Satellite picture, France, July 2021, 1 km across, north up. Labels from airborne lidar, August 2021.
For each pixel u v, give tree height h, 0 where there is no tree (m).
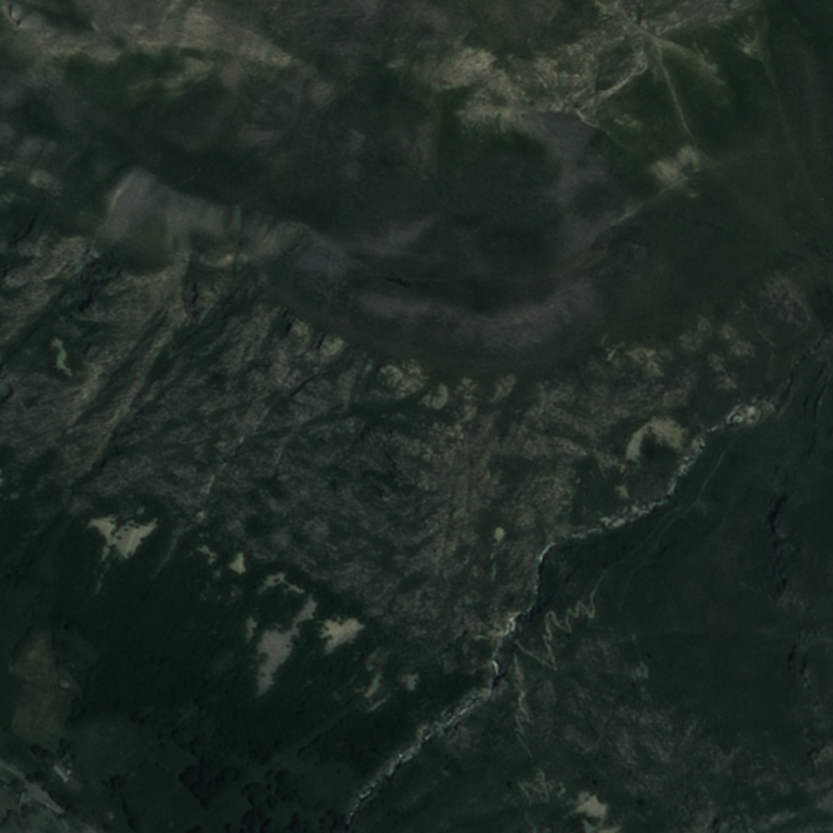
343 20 0
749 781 0
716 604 0
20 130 0
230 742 8
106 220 0
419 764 0
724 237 0
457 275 0
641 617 0
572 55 0
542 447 0
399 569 0
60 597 6
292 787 8
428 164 0
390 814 9
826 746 0
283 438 0
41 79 0
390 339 0
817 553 0
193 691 6
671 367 0
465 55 0
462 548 0
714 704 0
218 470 0
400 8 0
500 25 0
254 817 15
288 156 0
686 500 0
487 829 0
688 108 0
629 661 0
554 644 0
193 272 0
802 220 0
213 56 0
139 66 0
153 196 0
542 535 0
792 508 0
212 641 7
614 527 0
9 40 0
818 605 0
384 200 0
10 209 0
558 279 0
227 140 0
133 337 0
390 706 6
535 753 0
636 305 0
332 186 0
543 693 0
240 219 0
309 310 0
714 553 0
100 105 0
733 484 0
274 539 0
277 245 0
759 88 0
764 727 0
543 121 0
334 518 0
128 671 6
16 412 0
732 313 0
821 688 0
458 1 0
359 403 0
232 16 0
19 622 0
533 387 0
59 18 0
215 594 5
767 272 0
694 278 0
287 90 0
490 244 0
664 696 0
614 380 0
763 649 0
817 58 0
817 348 0
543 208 0
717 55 0
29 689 0
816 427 0
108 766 0
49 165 0
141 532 0
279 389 0
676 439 0
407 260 0
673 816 0
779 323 0
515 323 0
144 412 0
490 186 0
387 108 0
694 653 0
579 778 0
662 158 0
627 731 0
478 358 0
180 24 0
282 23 0
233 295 0
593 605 0
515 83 0
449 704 9
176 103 0
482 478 0
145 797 0
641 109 0
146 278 0
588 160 0
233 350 0
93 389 0
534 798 0
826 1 0
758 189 0
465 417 0
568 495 0
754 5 0
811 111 0
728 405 0
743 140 0
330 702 6
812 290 0
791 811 0
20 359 0
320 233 0
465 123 0
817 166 0
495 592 0
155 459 0
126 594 8
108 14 0
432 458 0
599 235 0
